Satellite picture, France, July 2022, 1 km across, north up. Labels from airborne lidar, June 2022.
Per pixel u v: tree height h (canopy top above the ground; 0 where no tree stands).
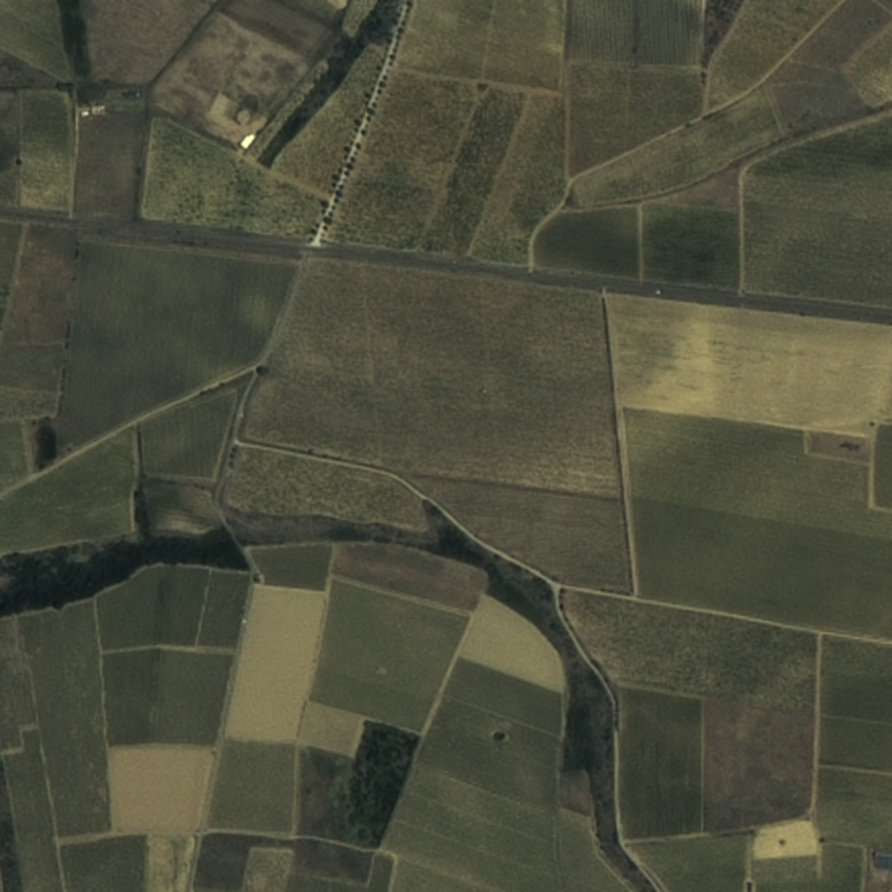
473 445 0
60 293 0
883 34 0
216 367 0
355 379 0
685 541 0
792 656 0
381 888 0
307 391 0
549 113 0
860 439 0
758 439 0
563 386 0
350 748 0
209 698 0
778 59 0
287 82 0
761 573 0
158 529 0
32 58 0
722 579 0
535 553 0
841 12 0
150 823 0
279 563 0
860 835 0
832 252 0
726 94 0
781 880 0
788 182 0
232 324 0
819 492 0
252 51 0
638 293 0
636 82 0
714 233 0
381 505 0
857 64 0
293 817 0
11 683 0
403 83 0
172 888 0
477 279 0
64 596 8
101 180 0
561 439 0
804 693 0
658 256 0
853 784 0
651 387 0
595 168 0
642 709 0
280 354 0
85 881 0
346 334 0
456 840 0
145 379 0
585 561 0
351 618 0
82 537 0
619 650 0
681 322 0
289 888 0
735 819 0
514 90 0
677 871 0
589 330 0
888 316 0
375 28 8
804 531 0
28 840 0
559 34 0
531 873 0
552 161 0
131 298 0
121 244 0
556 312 0
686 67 0
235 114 0
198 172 0
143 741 0
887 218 0
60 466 0
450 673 0
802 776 0
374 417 0
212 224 0
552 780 0
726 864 0
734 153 0
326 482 0
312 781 0
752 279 0
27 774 0
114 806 0
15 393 0
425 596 0
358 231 0
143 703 0
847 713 0
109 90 0
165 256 0
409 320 0
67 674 0
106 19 0
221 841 0
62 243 0
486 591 0
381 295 0
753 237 0
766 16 0
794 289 0
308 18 0
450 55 0
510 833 0
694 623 0
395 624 0
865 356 0
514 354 0
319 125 0
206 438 0
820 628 0
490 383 0
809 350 0
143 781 0
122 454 0
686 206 0
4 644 0
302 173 0
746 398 0
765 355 0
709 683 0
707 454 0
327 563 0
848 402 0
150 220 0
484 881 0
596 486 0
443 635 0
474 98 0
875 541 0
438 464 0
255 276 0
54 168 0
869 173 0
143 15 0
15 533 0
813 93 0
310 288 0
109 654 0
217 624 0
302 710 0
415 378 0
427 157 0
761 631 0
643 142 0
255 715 0
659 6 0
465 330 0
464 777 0
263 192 0
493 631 0
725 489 0
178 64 0
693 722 0
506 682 0
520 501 0
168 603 0
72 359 0
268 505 0
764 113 0
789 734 0
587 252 0
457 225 0
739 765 0
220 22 0
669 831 0
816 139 0
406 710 0
